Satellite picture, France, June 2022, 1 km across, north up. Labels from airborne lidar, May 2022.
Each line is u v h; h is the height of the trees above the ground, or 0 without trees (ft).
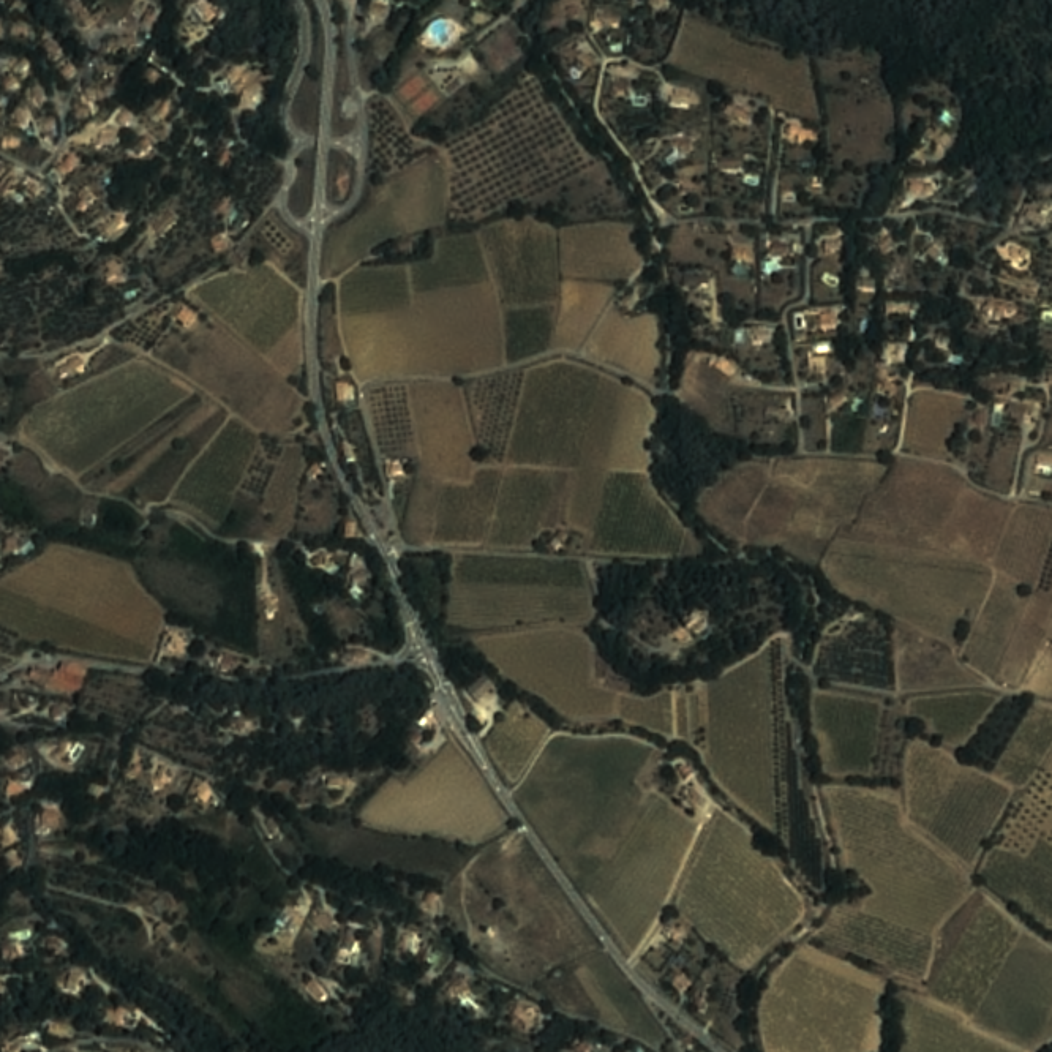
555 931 0
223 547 23
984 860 0
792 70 0
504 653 0
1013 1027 0
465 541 0
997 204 58
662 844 0
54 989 34
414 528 0
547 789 0
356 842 0
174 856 39
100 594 0
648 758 0
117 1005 58
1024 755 0
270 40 76
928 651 0
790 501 0
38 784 31
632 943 0
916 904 0
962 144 42
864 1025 0
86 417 0
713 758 0
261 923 38
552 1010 28
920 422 0
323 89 0
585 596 0
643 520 0
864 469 0
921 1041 0
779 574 45
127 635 0
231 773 22
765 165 22
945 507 0
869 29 42
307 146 0
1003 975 0
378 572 47
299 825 26
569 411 0
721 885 0
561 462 0
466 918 0
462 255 0
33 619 0
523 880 0
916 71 52
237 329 0
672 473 37
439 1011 62
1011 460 0
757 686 0
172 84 39
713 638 31
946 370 29
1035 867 0
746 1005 39
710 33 0
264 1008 0
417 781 0
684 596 23
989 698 0
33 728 26
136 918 21
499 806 0
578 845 0
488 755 0
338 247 0
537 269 0
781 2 67
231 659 0
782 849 49
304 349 0
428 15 27
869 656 19
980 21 35
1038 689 0
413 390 0
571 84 24
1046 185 56
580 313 0
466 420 0
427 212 0
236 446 0
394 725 44
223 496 0
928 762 0
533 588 0
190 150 19
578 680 0
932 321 32
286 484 0
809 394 24
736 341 0
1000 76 64
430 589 0
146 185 34
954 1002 0
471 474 0
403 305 0
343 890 50
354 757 48
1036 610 0
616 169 33
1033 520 0
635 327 0
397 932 24
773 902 0
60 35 44
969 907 0
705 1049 20
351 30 0
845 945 0
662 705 0
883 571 0
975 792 0
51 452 0
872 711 0
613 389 0
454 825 0
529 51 34
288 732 50
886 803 0
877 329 36
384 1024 59
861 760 0
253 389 0
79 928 50
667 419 59
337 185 0
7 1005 67
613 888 0
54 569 0
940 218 20
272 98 73
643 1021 0
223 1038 57
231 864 38
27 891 29
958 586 0
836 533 0
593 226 0
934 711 0
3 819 21
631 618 87
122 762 25
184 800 42
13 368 0
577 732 31
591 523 0
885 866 0
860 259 46
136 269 30
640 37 42
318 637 17
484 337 0
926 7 71
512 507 0
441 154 0
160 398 0
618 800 0
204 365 0
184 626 25
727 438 47
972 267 33
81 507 0
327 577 40
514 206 43
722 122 22
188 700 39
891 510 0
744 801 0
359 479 20
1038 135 47
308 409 33
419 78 0
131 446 0
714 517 0
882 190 60
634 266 0
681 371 31
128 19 0
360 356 0
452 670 47
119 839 65
